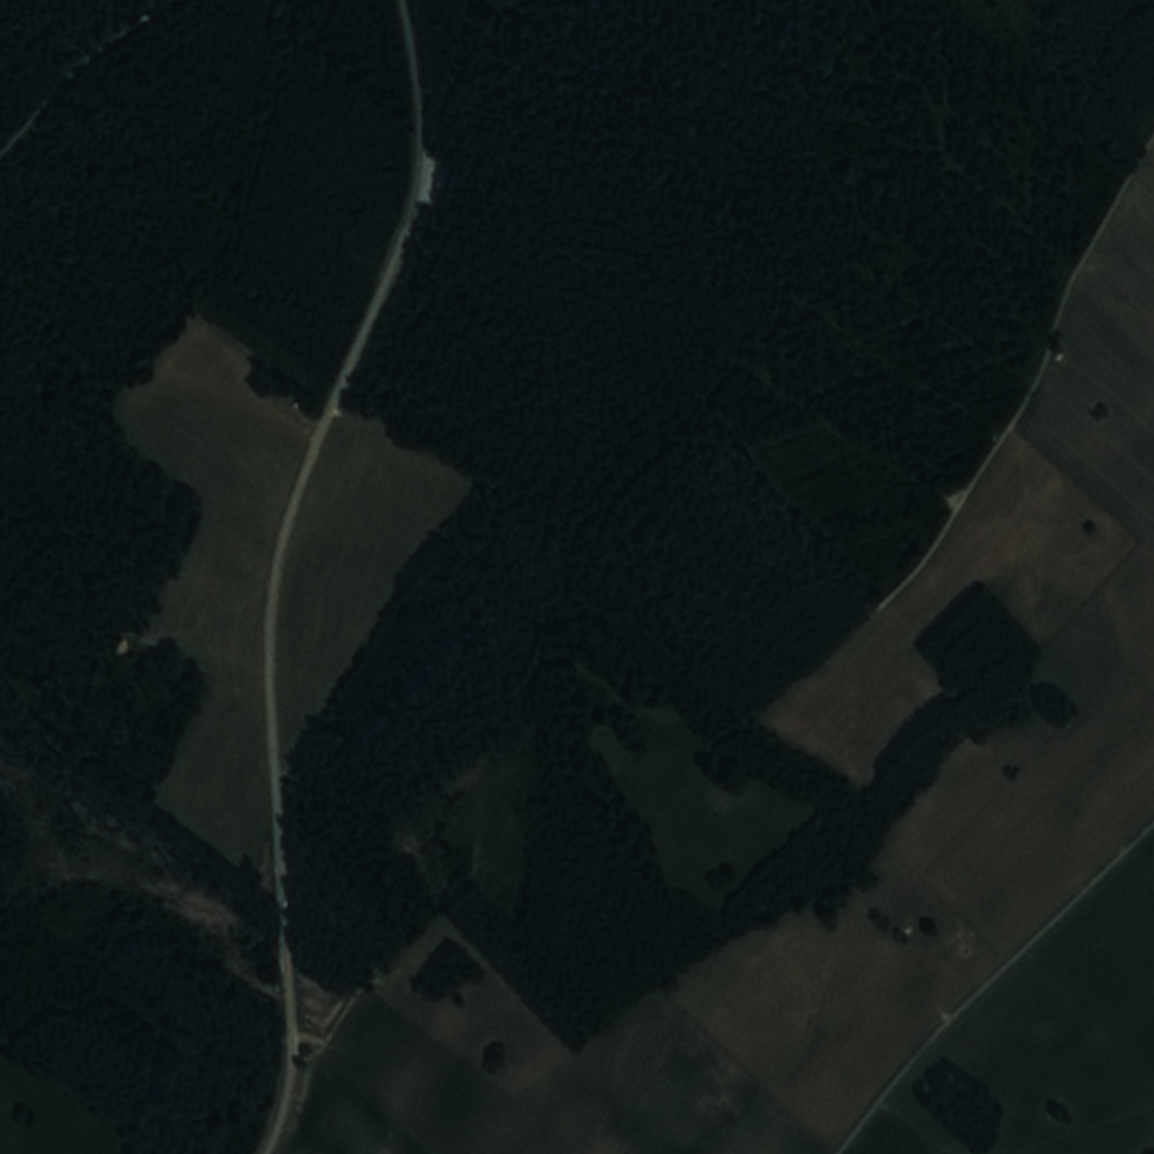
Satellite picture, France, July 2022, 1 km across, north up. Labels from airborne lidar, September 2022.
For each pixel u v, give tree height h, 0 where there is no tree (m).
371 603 0
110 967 16
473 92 13
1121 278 0
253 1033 23
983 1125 27
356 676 9
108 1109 21
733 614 23
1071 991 0
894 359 6
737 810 0
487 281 10
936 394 8
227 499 0
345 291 6
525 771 0
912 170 16
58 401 11
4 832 28
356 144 10
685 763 0
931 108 6
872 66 11
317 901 25
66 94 17
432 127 13
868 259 10
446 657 28
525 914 12
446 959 17
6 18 17
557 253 14
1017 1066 0
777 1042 0
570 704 24
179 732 8
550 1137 0
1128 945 0
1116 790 0
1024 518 0
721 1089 0
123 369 10
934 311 14
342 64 12
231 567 0
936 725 24
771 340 7
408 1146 0
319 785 17
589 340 16
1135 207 0
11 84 12
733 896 10
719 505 15
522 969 15
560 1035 20
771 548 22
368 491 0
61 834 6
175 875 23
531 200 14
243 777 0
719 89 17
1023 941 0
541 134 16
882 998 0
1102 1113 0
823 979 0
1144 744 0
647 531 30
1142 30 18
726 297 14
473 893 23
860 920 0
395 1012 0
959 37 15
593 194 13
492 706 31
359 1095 0
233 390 0
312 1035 0
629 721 10
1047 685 0
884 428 7
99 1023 21
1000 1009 0
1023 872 0
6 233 10
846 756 0
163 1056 11
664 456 18
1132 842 0
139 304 7
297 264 7
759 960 0
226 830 0
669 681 10
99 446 16
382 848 21
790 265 15
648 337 12
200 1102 30
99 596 24
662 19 27
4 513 18
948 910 0
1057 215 10
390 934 19
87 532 26
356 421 0
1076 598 0
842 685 0
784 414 13
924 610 0
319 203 8
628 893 10
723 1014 0
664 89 18
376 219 7
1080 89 29
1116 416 0
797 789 7
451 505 0
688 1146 0
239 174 7
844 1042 0
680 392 14
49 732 24
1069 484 0
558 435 16
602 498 17
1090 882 0
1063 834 0
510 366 15
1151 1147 0
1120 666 0
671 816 0
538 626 25
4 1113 0
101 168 13
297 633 0
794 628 20
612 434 13
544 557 24
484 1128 0
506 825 0
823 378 6
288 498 0
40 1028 21
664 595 24
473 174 25
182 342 0
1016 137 11
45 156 11
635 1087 0
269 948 12
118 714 11
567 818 7
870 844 9
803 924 0
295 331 12
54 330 10
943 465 11
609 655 24
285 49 18
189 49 10
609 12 32
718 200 24
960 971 0
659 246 13
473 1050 0
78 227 16
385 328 8
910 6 13
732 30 19
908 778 13
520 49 24
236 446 0
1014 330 14
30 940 12
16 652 8
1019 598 0
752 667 21
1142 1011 0
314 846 29
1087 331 0
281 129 11
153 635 0
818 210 21
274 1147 0
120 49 9
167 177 9
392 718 32
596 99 14
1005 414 6
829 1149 0
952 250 11
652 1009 0
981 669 27
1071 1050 0
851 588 20
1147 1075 0
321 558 0
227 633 0
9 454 13
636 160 21
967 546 0
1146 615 0
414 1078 0
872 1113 0
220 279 11
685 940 11
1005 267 9
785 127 19
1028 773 0
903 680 0
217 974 27
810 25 19
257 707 0
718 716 9
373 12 11
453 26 12
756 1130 0
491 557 25
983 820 0
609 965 8
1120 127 21
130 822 26
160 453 0
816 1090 0
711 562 19
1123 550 0
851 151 9
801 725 0
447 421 13
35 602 28
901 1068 0
